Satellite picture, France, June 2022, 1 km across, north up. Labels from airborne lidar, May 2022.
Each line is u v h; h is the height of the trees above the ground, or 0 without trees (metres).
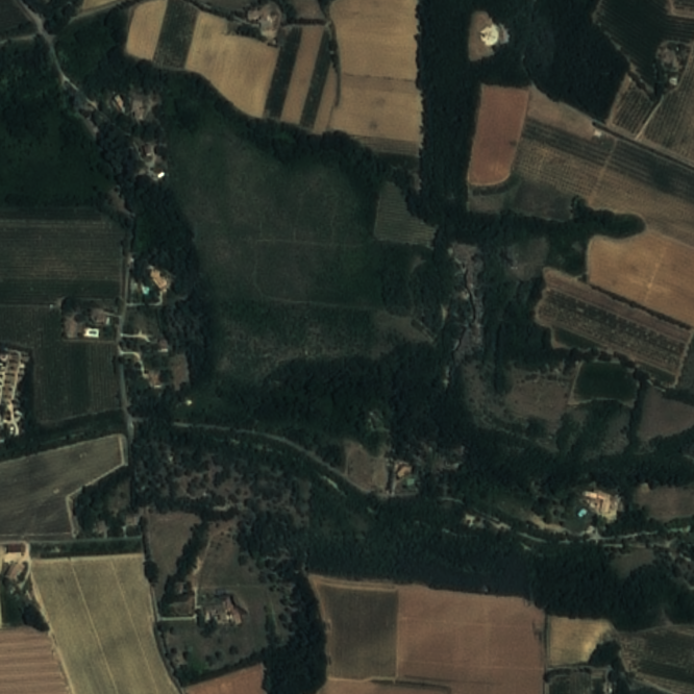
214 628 17
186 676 9
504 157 0
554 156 0
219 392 13
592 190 0
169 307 14
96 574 0
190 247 10
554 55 11
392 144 0
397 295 11
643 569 14
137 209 18
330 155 8
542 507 18
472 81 11
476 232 12
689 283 0
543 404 0
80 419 6
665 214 0
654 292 0
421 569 13
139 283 13
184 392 11
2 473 0
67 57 10
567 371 9
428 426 18
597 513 0
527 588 13
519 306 7
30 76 14
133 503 8
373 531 13
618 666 13
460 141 10
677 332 0
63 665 0
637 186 0
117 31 11
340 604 0
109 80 14
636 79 10
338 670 0
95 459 0
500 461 9
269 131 17
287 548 7
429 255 6
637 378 11
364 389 25
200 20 0
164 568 0
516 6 11
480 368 9
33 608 14
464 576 14
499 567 15
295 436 12
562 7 12
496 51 11
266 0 6
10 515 0
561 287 0
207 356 12
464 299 8
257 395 14
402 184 12
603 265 0
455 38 10
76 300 10
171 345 13
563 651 0
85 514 10
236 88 0
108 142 16
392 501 13
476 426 7
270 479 14
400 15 0
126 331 6
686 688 0
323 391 16
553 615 9
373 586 0
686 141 0
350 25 0
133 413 8
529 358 13
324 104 0
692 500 0
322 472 7
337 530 8
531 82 9
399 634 0
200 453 6
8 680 0
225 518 13
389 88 0
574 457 12
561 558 12
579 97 17
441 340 8
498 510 6
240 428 13
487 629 0
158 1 0
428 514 8
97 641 0
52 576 0
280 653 15
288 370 11
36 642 0
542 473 12
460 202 8
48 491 0
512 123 0
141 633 0
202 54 0
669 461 8
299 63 0
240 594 0
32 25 11
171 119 8
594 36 16
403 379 16
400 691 0
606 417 7
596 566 8
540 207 0
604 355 10
